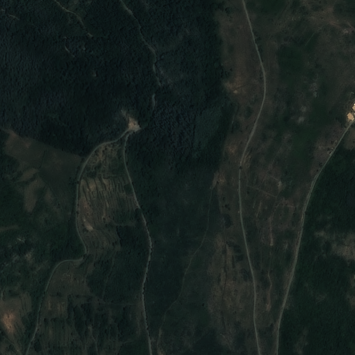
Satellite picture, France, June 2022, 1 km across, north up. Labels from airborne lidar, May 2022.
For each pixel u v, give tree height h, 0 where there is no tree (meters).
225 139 7
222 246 0
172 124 13
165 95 17
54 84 18
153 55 8
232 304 0
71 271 0
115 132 8
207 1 16
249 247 0
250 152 0
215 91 15
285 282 0
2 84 16
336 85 0
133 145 10
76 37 13
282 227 0
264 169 0
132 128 0
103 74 22
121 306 0
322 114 0
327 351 7
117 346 0
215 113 20
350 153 8
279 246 0
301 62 0
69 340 0
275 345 0
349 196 15
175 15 14
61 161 0
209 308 0
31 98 21
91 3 9
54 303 0
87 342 0
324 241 0
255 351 0
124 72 25
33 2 14
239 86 0
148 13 10
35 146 0
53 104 24
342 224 6
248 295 0
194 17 7
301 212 0
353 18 0
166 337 0
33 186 0
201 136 17
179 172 9
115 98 13
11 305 0
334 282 7
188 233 0
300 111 0
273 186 0
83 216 0
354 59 0
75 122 25
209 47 8
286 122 0
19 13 18
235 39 0
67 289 0
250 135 0
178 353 0
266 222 0
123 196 0
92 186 0
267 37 0
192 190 0
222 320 0
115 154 0
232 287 0
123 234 20
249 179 0
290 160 0
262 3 0
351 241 0
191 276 0
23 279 0
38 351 11
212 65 15
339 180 6
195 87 8
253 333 0
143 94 16
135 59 17
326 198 7
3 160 11
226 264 0
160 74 6
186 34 6
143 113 14
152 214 11
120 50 18
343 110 0
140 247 6
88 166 0
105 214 0
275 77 0
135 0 16
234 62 0
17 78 14
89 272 0
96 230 0
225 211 0
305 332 0
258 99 0
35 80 14
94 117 23
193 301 0
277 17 0
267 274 0
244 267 0
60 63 30
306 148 0
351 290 0
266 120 0
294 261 0
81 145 13
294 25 0
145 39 9
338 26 0
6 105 7
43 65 17
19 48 19
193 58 8
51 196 0
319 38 0
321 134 0
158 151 13
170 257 0
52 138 11
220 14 0
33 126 20
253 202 0
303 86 0
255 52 0
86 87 18
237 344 0
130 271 7
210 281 0
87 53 21
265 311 0
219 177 0
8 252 13
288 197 0
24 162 0
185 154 19
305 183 0
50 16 15
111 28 17
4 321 0
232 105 9
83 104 26
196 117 17
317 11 0
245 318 0
